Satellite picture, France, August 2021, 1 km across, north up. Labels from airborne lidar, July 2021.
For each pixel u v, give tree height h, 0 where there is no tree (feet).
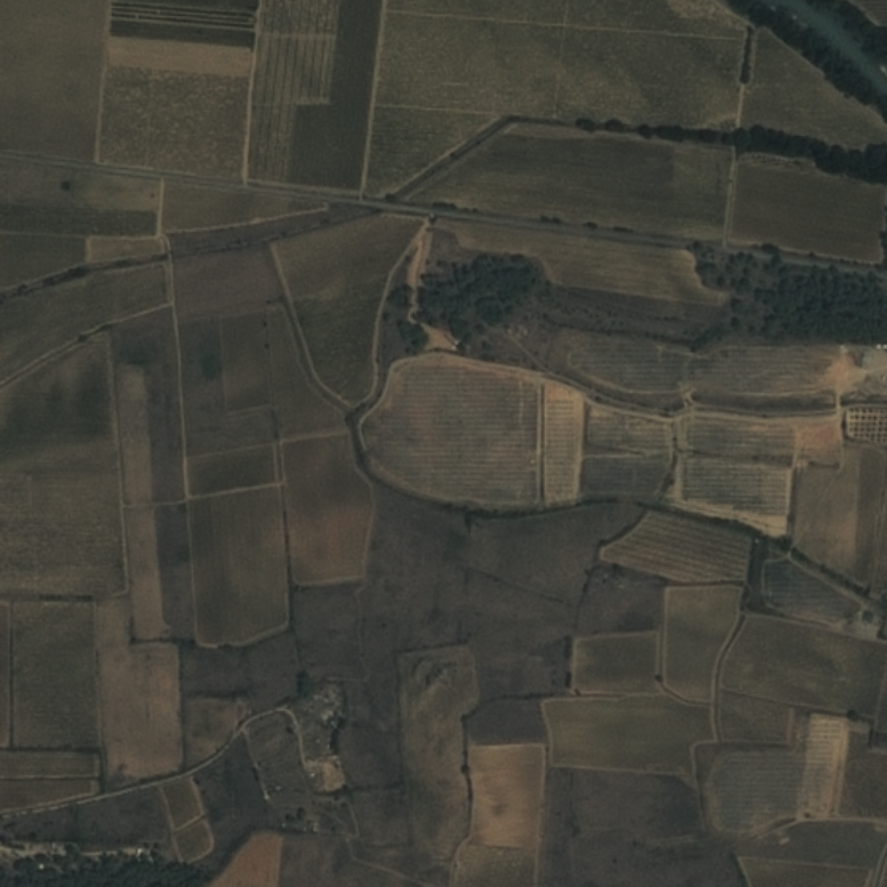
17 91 0
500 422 0
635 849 0
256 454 0
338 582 0
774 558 0
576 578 0
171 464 0
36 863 42
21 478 0
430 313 41
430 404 0
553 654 0
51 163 0
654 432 0
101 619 0
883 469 0
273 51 0
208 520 0
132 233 0
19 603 0
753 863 0
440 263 20
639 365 0
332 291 0
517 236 0
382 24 0
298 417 0
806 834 0
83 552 0
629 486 0
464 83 0
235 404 0
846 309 61
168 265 0
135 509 0
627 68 0
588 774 0
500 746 0
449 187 0
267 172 0
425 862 0
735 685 0
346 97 0
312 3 0
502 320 34
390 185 0
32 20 0
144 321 0
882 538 0
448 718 0
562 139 0
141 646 0
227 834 0
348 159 0
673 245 0
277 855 0
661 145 0
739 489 0
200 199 0
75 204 0
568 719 0
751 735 0
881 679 0
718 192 0
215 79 0
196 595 0
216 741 0
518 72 0
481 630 0
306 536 0
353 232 0
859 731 0
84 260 0
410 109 0
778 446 0
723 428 0
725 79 0
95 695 0
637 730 0
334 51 0
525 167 0
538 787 0
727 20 0
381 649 0
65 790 0
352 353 0
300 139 0
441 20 0
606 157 0
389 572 0
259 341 0
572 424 0
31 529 0
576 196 0
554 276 0
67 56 0
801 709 0
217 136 0
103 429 0
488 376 0
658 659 0
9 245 0
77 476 0
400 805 0
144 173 0
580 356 0
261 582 0
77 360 0
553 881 0
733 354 0
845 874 0
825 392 0
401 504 0
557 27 0
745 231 0
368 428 0
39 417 0
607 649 0
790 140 56
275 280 0
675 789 0
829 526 0
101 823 0
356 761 0
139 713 0
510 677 0
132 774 0
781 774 0
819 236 0
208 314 0
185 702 0
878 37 51
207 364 0
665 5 0
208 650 0
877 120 0
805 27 64
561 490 0
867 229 0
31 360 0
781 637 0
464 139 0
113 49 0
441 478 0
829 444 0
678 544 0
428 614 0
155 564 0
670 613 0
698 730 0
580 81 0
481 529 0
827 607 0
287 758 0
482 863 0
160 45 0
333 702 0
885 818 0
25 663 0
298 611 0
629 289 0
